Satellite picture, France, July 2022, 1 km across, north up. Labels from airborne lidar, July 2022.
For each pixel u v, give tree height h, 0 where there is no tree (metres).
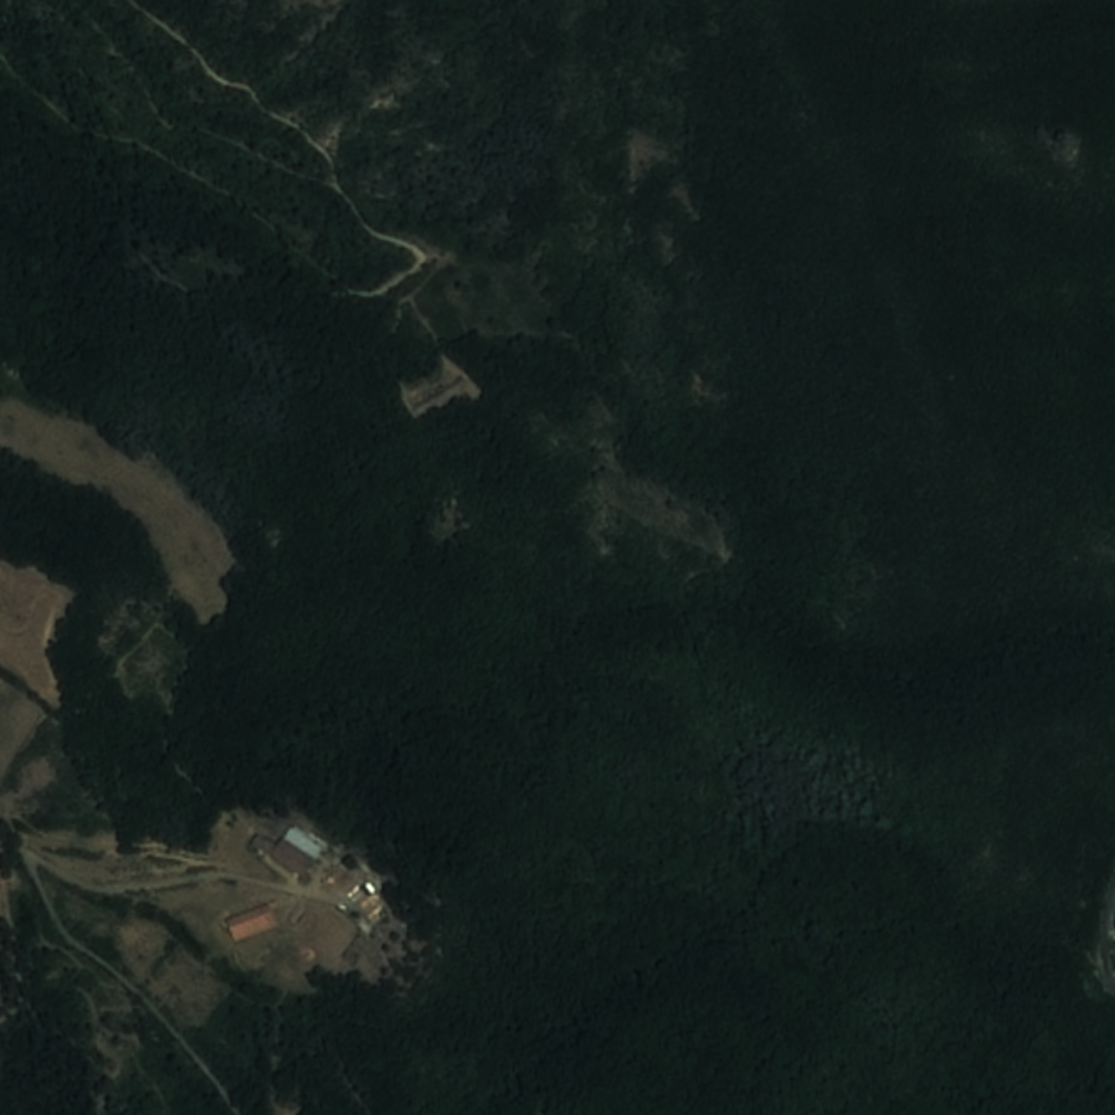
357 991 10
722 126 9
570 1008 23
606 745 14
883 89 9
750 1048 18
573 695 17
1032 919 9
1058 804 9
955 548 9
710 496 10
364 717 16
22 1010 15
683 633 20
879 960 15
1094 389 10
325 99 8
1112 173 7
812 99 7
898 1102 8
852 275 9
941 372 7
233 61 7
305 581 15
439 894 12
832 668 23
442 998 14
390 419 17
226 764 15
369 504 16
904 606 8
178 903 0
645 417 11
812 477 13
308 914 0
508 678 19
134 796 8
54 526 17
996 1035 6
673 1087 13
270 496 10
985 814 7
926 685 17
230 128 13
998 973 22
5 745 0
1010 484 8
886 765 7
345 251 7
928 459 6
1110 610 9
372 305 9
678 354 8
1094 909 12
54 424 0
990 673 15
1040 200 9
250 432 17
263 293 15
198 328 14
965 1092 12
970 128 7
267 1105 17
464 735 16
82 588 11
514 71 6
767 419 12
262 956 0
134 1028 7
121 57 6
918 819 11
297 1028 14
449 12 9
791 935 10
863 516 9
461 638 19
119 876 0
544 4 6
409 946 7
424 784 20
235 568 7
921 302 7
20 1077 11
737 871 8
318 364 17
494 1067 18
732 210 10
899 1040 13
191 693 21
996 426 11
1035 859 10
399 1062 17
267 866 0
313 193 8
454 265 0
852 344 8
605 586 17
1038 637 16
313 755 14
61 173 20
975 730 12
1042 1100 18
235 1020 7
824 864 14
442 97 7
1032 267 13
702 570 7
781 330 13
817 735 11
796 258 8
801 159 7
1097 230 11
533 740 18
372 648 21
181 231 15
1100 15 9
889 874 15
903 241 9
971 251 11
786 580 13
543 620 16
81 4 9
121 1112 17
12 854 7
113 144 9
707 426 8
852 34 12
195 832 16
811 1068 13
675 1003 16
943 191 12
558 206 9
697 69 10
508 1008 20
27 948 14
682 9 7
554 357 7
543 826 12
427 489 11
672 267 8
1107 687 11
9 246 18
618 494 0
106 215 22
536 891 16
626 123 8
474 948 19
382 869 15
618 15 9
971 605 8
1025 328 12
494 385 13
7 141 21
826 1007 11
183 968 0
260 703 20
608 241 11
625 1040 16
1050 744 7
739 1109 14
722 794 7
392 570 16
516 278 0
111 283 22
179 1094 6
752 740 10
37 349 19
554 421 9
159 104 9
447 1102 13
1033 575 10
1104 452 12
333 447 18
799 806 19
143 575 12
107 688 16
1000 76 12
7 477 13
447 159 6
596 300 14
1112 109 8
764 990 22
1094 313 9
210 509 9
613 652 13
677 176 7
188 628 15
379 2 7
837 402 10
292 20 8
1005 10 6
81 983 9
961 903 12
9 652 0
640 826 10
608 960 20
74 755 13
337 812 7
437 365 13
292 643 15
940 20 11
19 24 7
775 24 8
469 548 19
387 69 6
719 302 8
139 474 0
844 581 7
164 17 9
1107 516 10
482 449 13
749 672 12
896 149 9
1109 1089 13
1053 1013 16
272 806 12
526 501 15
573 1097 20
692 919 21
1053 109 9
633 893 15
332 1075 10
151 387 11
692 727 7
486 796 18
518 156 7
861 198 7
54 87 5
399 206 7
